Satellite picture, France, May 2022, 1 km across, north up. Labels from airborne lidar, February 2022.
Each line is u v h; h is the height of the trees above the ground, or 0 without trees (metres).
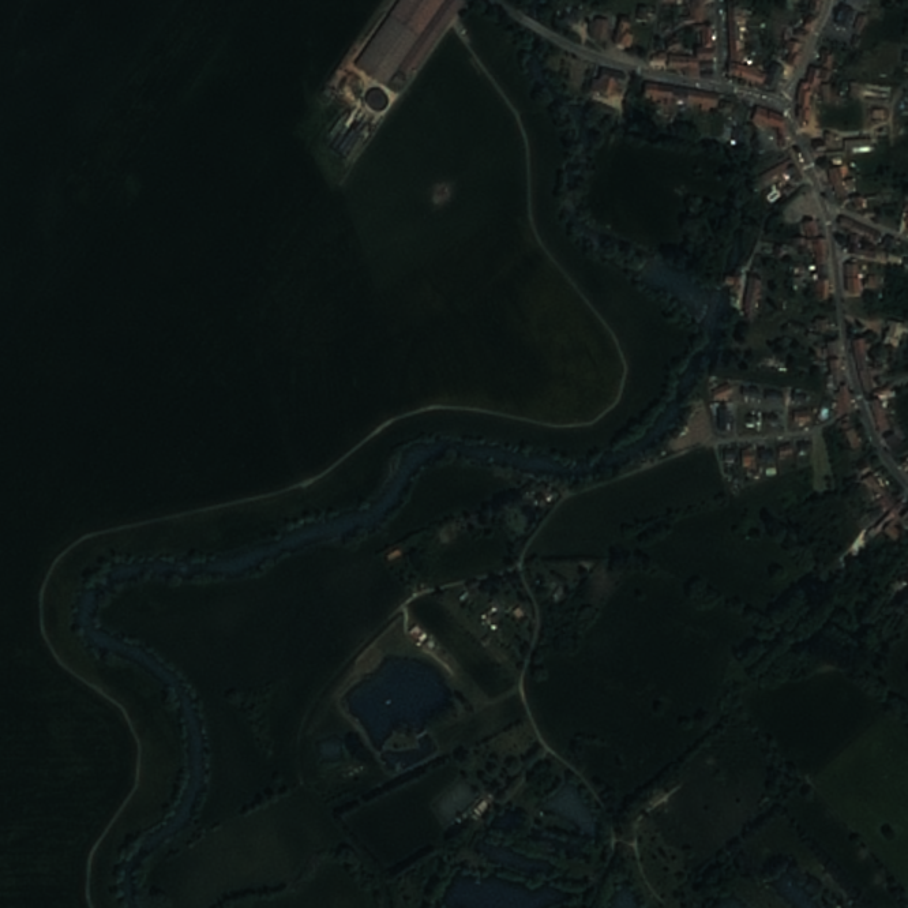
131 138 0
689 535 0
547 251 0
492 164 0
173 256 0
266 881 0
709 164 0
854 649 33
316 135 0
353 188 0
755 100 0
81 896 0
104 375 0
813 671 17
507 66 0
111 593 9
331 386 0
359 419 0
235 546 0
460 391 0
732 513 0
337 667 0
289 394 0
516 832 17
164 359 0
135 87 0
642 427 15
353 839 14
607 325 0
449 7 0
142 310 0
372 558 0
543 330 0
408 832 0
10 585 0
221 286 0
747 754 0
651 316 0
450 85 0
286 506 0
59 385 0
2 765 0
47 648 0
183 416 0
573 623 7
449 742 0
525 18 0
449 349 0
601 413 0
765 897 0
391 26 0
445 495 0
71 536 0
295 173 0
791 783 7
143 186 0
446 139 0
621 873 14
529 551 0
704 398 0
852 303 0
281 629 0
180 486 0
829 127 0
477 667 0
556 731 0
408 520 0
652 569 9
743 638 0
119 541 0
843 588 8
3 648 0
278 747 0
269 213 0
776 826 0
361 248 0
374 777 0
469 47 0
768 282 0
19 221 0
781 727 0
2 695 0
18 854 0
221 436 0
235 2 0
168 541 0
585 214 7
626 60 0
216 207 0
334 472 0
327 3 0
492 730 0
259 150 0
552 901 0
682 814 0
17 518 0
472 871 11
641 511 0
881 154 0
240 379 0
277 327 0
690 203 8
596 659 0
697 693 0
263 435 0
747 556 0
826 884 0
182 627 0
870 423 0
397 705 0
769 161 0
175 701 9
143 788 0
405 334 0
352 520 0
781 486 0
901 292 8
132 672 0
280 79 0
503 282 0
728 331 8
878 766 0
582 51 0
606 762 0
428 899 12
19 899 0
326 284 0
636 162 0
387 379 0
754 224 16
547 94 17
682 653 0
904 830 0
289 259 0
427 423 0
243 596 0
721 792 0
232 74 0
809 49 0
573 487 15
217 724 0
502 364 0
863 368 0
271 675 0
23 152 0
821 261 0
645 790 7
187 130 0
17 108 0
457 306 0
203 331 0
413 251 0
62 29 0
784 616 21
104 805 0
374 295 0
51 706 0
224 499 0
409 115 0
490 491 0
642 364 0
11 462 0
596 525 0
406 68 0
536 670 15
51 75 0
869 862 0
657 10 0
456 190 0
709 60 0
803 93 0
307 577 0
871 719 0
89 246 0
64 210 0
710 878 14
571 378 0
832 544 8
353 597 0
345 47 0
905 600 14
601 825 15
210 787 0
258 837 0
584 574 11
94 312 0
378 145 0
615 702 0
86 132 0
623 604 0
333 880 0
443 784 0
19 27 0
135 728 0
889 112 0
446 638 0
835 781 0
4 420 0
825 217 0
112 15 0
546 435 0
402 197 0
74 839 0
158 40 0
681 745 0
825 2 0
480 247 0
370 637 0
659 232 0
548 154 0
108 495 0
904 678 0
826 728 0
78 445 0
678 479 0
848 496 10
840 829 0
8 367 0
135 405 0
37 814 0
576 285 0
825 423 0
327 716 0
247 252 0
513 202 0
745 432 0
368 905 0
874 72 0
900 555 7
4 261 0
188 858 0
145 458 0
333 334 0
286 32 0
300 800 0
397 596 0
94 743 0
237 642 0
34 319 0
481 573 0
